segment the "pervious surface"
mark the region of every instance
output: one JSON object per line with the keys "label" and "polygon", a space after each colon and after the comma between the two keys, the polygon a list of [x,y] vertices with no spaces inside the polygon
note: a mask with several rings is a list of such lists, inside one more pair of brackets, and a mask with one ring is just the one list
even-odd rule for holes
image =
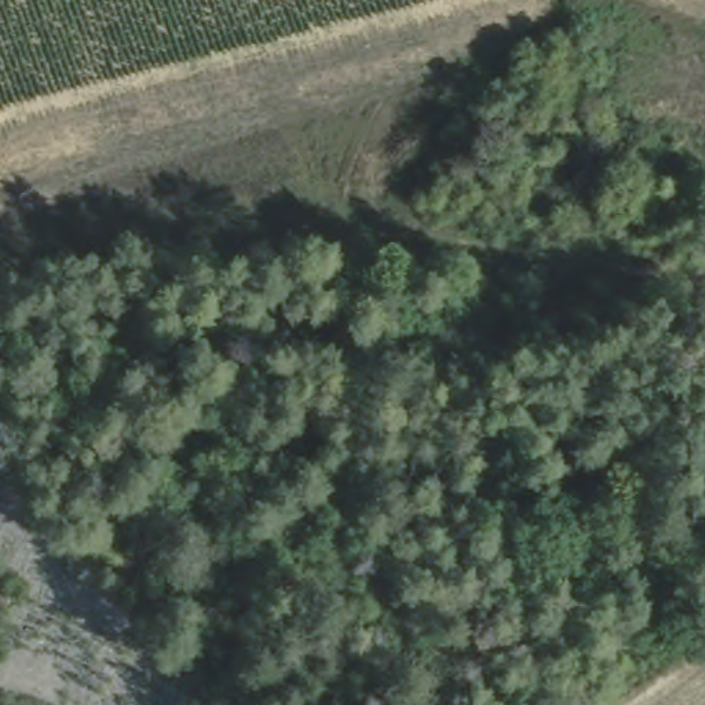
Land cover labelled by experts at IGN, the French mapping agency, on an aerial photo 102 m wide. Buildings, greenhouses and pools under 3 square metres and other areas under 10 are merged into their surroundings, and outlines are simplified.
{"label": "pervious surface", "polygon": [[83,617],[63,617],[47,611],[47,606],[52,603],[52,589],[39,573],[30,532],[17,526],[19,518],[11,504],[11,493],[0,487],[0,554],[11,559],[11,570],[19,573],[28,584],[22,600],[3,598],[0,603],[0,705],[146,705],[149,686],[157,677],[138,664],[135,650],[129,650],[127,644],[110,644],[102,636],[91,633]]}

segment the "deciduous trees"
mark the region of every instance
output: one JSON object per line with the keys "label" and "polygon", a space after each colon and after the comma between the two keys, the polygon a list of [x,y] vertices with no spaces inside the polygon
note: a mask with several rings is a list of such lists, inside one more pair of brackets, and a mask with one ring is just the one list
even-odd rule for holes
{"label": "deciduous trees", "polygon": [[482,278],[476,259],[468,253],[460,253],[452,259],[435,256],[430,275],[427,270],[419,270],[410,262],[410,253],[402,245],[386,245],[380,248],[375,262],[383,273],[386,286],[386,295],[377,303],[383,314],[394,314],[399,319],[399,336],[408,336],[413,330],[441,333],[449,322],[454,322],[463,314],[463,300],[479,292]]}
{"label": "deciduous trees", "polygon": [[317,589],[328,595],[330,606],[341,598],[369,600],[369,573],[355,576],[355,567],[361,565],[364,554],[377,554],[380,543],[369,537],[369,529],[361,526],[358,518],[341,518],[333,501],[328,498],[311,507],[311,512],[319,518],[319,534],[292,551],[284,532],[275,534],[270,543],[275,548],[275,556],[284,567],[292,570],[297,581],[314,581]]}
{"label": "deciduous trees", "polygon": [[218,543],[207,548],[212,562],[251,556],[259,551],[262,540],[251,534],[251,529],[231,529],[218,532]]}
{"label": "deciduous trees", "polygon": [[705,611],[699,609],[697,617],[683,617],[653,633],[644,625],[636,633],[631,633],[628,642],[622,642],[633,664],[655,658],[669,669],[680,664],[705,664]]}
{"label": "deciduous trees", "polygon": [[609,474],[611,504],[595,507],[584,515],[576,515],[570,509],[570,496],[562,490],[562,479],[534,487],[540,498],[537,509],[548,515],[551,526],[520,526],[515,532],[518,556],[509,559],[512,573],[523,570],[532,578],[537,576],[543,581],[556,581],[576,576],[581,570],[589,545],[609,543],[617,545],[617,551],[628,551],[639,545],[633,532],[633,504],[642,479],[636,471],[620,463],[614,474]]}

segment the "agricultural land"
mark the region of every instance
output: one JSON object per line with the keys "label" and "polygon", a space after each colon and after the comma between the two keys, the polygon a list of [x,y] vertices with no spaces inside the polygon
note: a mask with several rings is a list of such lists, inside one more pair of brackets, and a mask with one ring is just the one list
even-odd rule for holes
{"label": "agricultural land", "polygon": [[669,669],[642,691],[631,688],[620,705],[705,705],[705,664],[680,664]]}

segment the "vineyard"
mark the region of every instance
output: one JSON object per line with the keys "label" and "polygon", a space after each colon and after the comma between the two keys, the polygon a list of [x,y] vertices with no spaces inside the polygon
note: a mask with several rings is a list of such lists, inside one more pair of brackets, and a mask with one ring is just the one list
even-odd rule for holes
{"label": "vineyard", "polygon": [[322,28],[330,22],[358,19],[427,0],[0,0],[0,107],[110,77],[127,77],[165,63],[201,58],[209,52],[223,52],[245,44],[267,44],[317,25]]}

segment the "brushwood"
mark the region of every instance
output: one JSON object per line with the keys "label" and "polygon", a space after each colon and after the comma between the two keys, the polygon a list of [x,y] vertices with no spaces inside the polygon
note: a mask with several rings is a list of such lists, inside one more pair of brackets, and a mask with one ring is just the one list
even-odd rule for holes
{"label": "brushwood", "polygon": [[19,573],[11,570],[11,559],[0,554],[0,603],[3,598],[22,600],[28,584]]}

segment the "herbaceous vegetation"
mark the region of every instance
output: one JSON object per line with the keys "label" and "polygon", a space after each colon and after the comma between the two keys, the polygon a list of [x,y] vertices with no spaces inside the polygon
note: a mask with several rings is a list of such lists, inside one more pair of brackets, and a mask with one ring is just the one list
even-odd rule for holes
{"label": "herbaceous vegetation", "polygon": [[501,102],[493,91],[493,80],[512,74],[512,66],[518,63],[515,52],[523,41],[534,41],[540,55],[551,55],[554,30],[562,30],[567,36],[570,47],[606,47],[614,72],[611,77],[620,80],[622,88],[620,94],[603,99],[603,113],[614,113],[614,118],[620,113],[633,113],[636,118],[669,118],[675,151],[691,154],[705,168],[705,0],[427,0],[358,19],[330,22],[322,28],[317,25],[267,44],[245,44],[223,52],[209,52],[201,58],[165,63],[127,77],[110,77],[0,107],[0,267],[30,264],[41,253],[52,253],[55,259],[77,259],[83,253],[85,240],[99,237],[102,231],[140,237],[143,251],[149,256],[168,253],[179,262],[187,262],[198,256],[212,270],[229,270],[234,259],[248,262],[251,256],[267,256],[275,262],[311,237],[336,242],[341,234],[350,231],[358,237],[386,240],[386,245],[402,245],[410,253],[410,262],[419,270],[427,270],[430,275],[435,256],[452,259],[460,253],[460,245],[435,242],[421,231],[413,231],[391,220],[388,212],[372,209],[369,201],[377,198],[386,187],[399,201],[413,201],[424,193],[432,193],[438,176],[452,173],[452,168],[457,165],[465,165],[476,154],[474,146],[482,129],[479,107]]}
{"label": "herbaceous vegetation", "polygon": [[523,267],[532,267],[537,278],[543,278],[543,284],[551,286],[562,284],[570,273],[581,273],[584,267],[595,267],[603,275],[642,281],[653,275],[658,267],[644,256],[633,256],[611,237],[598,242],[576,240],[570,248],[562,251],[540,248],[532,231],[526,231],[520,240],[509,242],[501,251],[471,248],[468,253],[476,259],[482,278],[493,289],[507,292],[512,273]]}

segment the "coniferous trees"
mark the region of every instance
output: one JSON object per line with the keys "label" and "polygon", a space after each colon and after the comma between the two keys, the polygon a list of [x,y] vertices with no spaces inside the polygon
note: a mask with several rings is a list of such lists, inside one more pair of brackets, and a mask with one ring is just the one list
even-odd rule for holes
{"label": "coniferous trees", "polygon": [[[83,617],[91,633],[102,636],[110,644],[127,644],[129,650],[135,650],[138,664],[157,677],[149,686],[146,705],[620,705],[631,688],[642,691],[669,669],[655,658],[633,664],[622,642],[628,642],[631,633],[636,633],[644,625],[653,633],[683,617],[697,617],[699,609],[705,611],[705,168],[691,154],[675,151],[669,118],[636,118],[633,113],[620,113],[614,118],[614,113],[603,113],[603,99],[620,94],[622,88],[620,80],[611,77],[614,72],[606,47],[570,47],[567,36],[562,30],[554,30],[551,55],[540,55],[534,41],[523,41],[515,52],[518,63],[512,66],[512,74],[493,80],[493,91],[501,102],[479,107],[482,129],[474,146],[476,154],[465,165],[457,165],[452,168],[452,173],[438,176],[432,193],[424,193],[413,201],[399,201],[386,187],[377,198],[369,201],[372,209],[388,212],[391,220],[413,231],[421,231],[435,242],[460,245],[460,253],[468,253],[471,248],[501,251],[509,242],[520,240],[526,231],[532,231],[540,248],[562,251],[570,248],[576,240],[598,242],[611,237],[633,256],[644,256],[658,267],[653,275],[642,281],[603,275],[595,267],[584,267],[581,273],[570,273],[562,284],[551,286],[543,284],[543,278],[537,278],[532,267],[523,267],[512,273],[507,292],[493,289],[482,278],[479,292],[463,300],[463,314],[454,322],[449,322],[441,333],[413,330],[408,336],[399,336],[399,319],[394,314],[383,314],[377,303],[386,295],[386,286],[383,273],[375,262],[380,248],[386,245],[386,240],[358,237],[350,231],[341,234],[336,242],[311,237],[275,262],[267,256],[251,256],[248,262],[234,259],[229,270],[212,270],[198,256],[187,262],[179,262],[168,253],[149,256],[143,251],[140,237],[102,231],[99,237],[85,240],[83,253],[77,259],[55,259],[52,253],[41,253],[30,264],[0,267],[0,487],[11,493],[11,504],[19,518],[17,526],[30,532],[39,573],[52,589],[52,603],[47,606],[47,611],[63,617]],[[576,576],[556,581],[543,581],[537,576],[532,578],[523,570],[512,573],[509,559],[518,556],[515,532],[520,526],[551,526],[548,515],[537,509],[540,498],[534,487],[562,479],[562,490],[570,496],[570,509],[576,515],[584,515],[595,507],[611,504],[609,474],[614,474],[620,463],[636,471],[642,479],[633,504],[633,532],[639,545],[628,551],[617,551],[617,545],[609,543],[589,545],[581,570]],[[297,581],[292,570],[284,567],[275,556],[275,548],[270,543],[275,534],[284,532],[292,551],[319,534],[319,518],[311,512],[311,507],[328,498],[333,501],[341,518],[358,518],[361,526],[369,529],[369,537],[380,543],[377,554],[364,554],[361,565],[355,567],[355,576],[369,573],[369,600],[341,598],[330,606],[328,595],[317,589],[314,581]],[[262,540],[259,551],[251,556],[212,562],[207,548],[218,543],[218,532],[231,529],[251,529],[251,534]]]}

